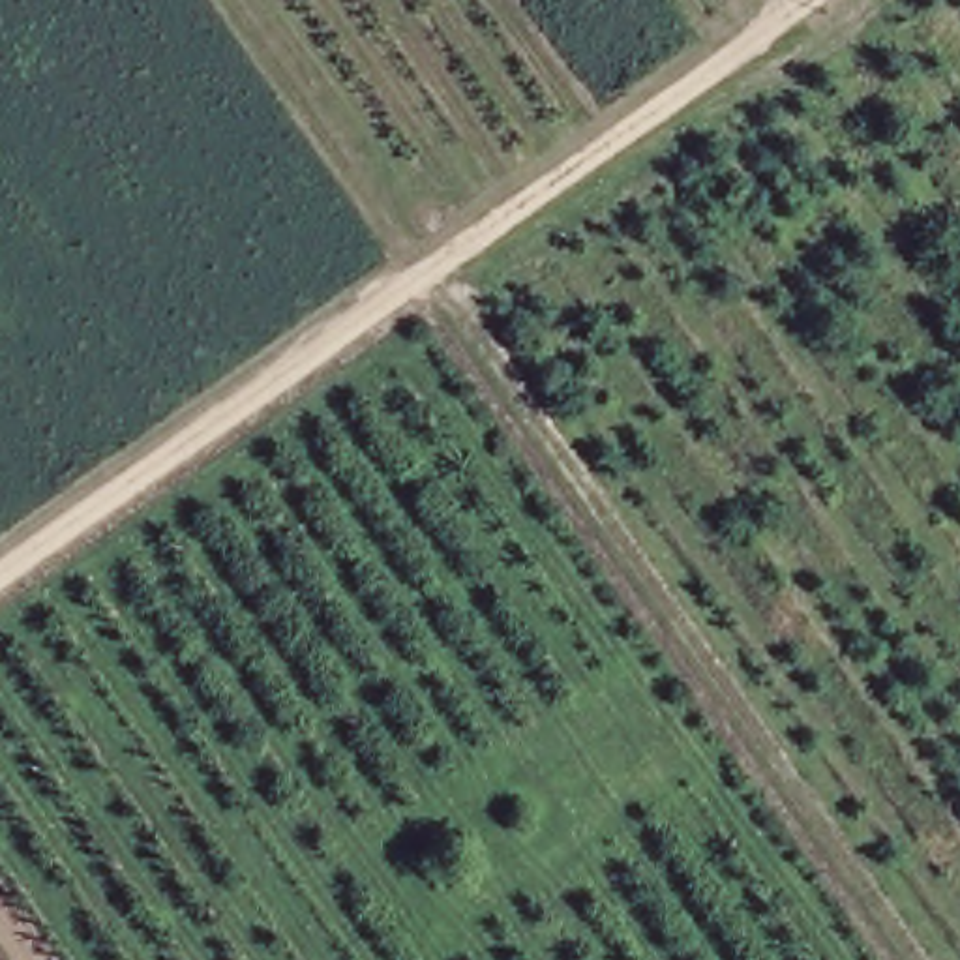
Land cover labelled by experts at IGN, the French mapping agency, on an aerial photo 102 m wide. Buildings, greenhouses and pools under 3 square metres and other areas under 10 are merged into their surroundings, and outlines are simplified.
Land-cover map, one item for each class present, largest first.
<instances>
[{"label":"herbaceous vegetation","instance_id":"1","mask_svg":"<svg viewBox=\"0 0 960 960\"><path fill-rule=\"evenodd\" d=\"M233 34V41L244 49L251 68L263 75L293 128L308 139L315 158L349 195L368 233L383 244L379 274L409 270L413 263L450 244L461 229L484 221L510 195L551 173L563 158L578 154L626 113L656 98L690 68H698L705 56L735 41L769 0H675L694 30V41L660 68H653L645 79L630 83L611 105H604L570 71L563 53L536 26L521 0H308L323 26L334 30V41L315 49L308 26L300 23V15L285 8V0H206ZM334 53L349 56L353 71L375 86L386 109V124L371 128L364 101L326 64V56ZM465 64L495 98L484 113L461 94L454 79ZM521 68L536 79L551 109V120H533L525 94L510 79ZM825 71V79L836 86L829 94V109L840 116L844 131L866 124L874 143H889L893 116L900 109L919 113L926 120L949 116L953 128H960V0H833L810 11L791 30H784L765 53L750 56L728 79L698 94L671 120H664L660 128L630 143L623 154L604 161L581 184H574L570 191L540 206L533 218L514 225L488 251L435 281L431 293L424 300H413L386 334H368L345 353H338L293 394L266 405L248 428L229 431L206 454L169 473L131 506L101 521L94 533L79 536L71 548L41 563L34 574H26L0 596V653H19V660L49 690L56 709H64L75 731L71 739L49 735L45 720L30 713L19 686L0 668V724L11 720L30 739V754L41 761L49 780L71 799L75 814L90 825L94 844L105 848L109 866L131 893V904L165 934L169 953L176 960H604L608 953L596 941V934L578 923V911L585 908H593L596 919L615 934V941H623L630 960H686L668 938L656 908L645 904L626 866V859L641 848L668 874V885L675 889L679 904L698 923V930L713 941V960H743L731 949V938L713 915V908L698 896L679 855L668 848L686 829L701 844H709V836H724L731 844V855H720L716 870L739 885L750 915H765V900L784 889L776 904L784 926H773L765 938H791V949L803 960H960V821L941 803L938 780L926 761L941 754L945 773H953V780L960 784V754L953 750V735L911 743L904 728L911 724V716L896 709L889 690L900 683H930L934 694L949 686L953 698H960V443H953V428L945 420L930 416L919 424V416L908 405L926 394L923 383L911 375L915 364H934L941 349L960 360V341L945 330L938 300L923 296L926 278L911 274L908 266L919 259L926 244V225L919 210L953 199V210H960V131L949 146V176L926 180L919 173L923 154L911 150L904 154V161L911 169L900 180L881 161L874 165L870 184H851V169L829 158L825 135L799 116V105L803 94ZM780 94L784 113L773 116V128L780 135H791L810 161H825L836 188L829 195H814L810 206L791 214L788 191L776 184L773 173L758 165L750 143H739L743 120H769L758 98ZM709 139L739 143V161L728 169V176L713 180V195L728 199L739 180L754 176V184L769 195L773 214L784 218L780 229L758 225L739 251H728L716 266L705 270H690L686 263V255H698V244L686 225L668 233L675 248L668 255H656L641 240L645 225L638 203L675 188V199L686 210L709 214L701 195L686 188L683 169L694 158L709 154ZM866 233L885 236L889 248L900 255V263L885 278L904 293V300L885 304L874 326V341L896 345V360L908 368L904 375L889 379V394H874L866 386L870 368H855L851 383H836L829 356L806 353V345L818 334H825L833 319L814 304V293L791 270L795 259H803L814 274H825L833 266V255L851 251ZM499 300H510L521 311H533L536 300L559 304V319L566 326L559 349L566 353L570 368H585V338L593 330L585 304H615V323H630L638 308H649V330L645 338L630 341L634 360L604 390H596V409L559 424L555 416H548L551 394L544 390L540 368L529 356H521L514 326L499 315ZM420 319L428 323L435 349L476 390V401L488 405L484 416L469 420L461 401L443 394L435 371L428 368V349L413 338ZM668 341H683L694 353V371H709L716 356H728L735 364V375L724 383L716 405L705 416L683 420V390L668 379V371L656 360V349ZM353 398L360 405L368 398H379L394 416L413 401L431 409V443L413 446V469L405 473L409 480H401L398 461L386 458L383 446L371 439V428L356 413ZM334 420L345 424L356 450H364V458L383 473L405 518L431 540L443 566L465 581L476 611L499 600L518 638L533 645V653L563 686L559 701H540L533 683L521 675V664L503 649L488 623H480L473 626V649L488 656L491 671L503 683V698L514 705L521 720L518 728L503 724L488 709L473 671L458 664L439 645V638L413 649L409 638L394 626L390 611L383 608V596L371 593L360 578L356 563L326 559L323 548L334 540V533L315 518L308 488L296 484V473L285 469L274 446L281 435L296 428L311 465L323 469L326 480H334L338 495L349 503L353 518L360 521L364 536L379 548L394 578L405 589H413L420 604L435 596L428 589L424 570H416L401 555L386 521L364 503V491H356L345 469L330 458L323 428ZM608 428L619 431V446L634 465L623 480V499H615L611 488L585 465L600 454L596 435ZM810 443H821L836 461L844 476V510L821 503L810 480H803L788 465V458L806 450ZM458 450H469V465L476 469V488H461L458 495L461 506L473 510L484 495L499 514V521L484 525L491 548L503 555L488 574L469 551H461L439 529V521H431V514L420 503L428 488L458 473ZM525 480H533V488L544 499H551V506L563 514V525L581 540V548L600 566L604 581L615 589V600L608 608L596 604L589 581L574 570L566 548H559L540 529V521L525 518L521 499L514 491ZM735 488L754 495L773 491L784 503H799L803 514L795 518V529L788 536L761 529V536L750 548H728L724 495H735ZM206 510L214 518H229L236 544L244 551L263 548L266 563L285 555L274 529L285 525V518L293 514L311 536V544L300 551L304 559L296 563V578L323 589L338 615V626L353 634V645L383 675V683L360 686V701H371L379 709L383 728L398 743H409L416 731H409V724L398 716L390 694L413 679H420V690L443 683L454 705L476 728L480 746H465L446 728L435 739V746L443 750L439 765H424L413 758L398 761L394 784L405 795L398 806L383 803L379 791L356 769L341 784L345 795L360 806V818H341L338 803L323 784L330 776L326 765L360 731L349 716H338L334 728H323L311 739L304 724H293L289 731L274 735V750L266 758L259 754V743L236 735V720L263 713V720L274 728L281 713L270 698L266 679L251 664L240 671L225 664L236 641L210 600L221 585H229L236 604L251 611L255 630L270 641V649L289 668L296 690L308 701L319 705L338 690H326L311 675L308 660L285 638L281 623L270 615L263 596L248 589L244 574L214 544L210 529L199 521V514ZM915 551H945V559L930 566L934 585L911 596L904 581L915 570ZM173 559H184V574L206 589V600H199L195 611H180L176 596L161 581V566ZM135 589H143L154 600L165 626L180 638L188 660L184 668L173 671L169 656L154 645L150 626L135 623L128 608ZM855 604L866 615L870 634H878L889 623L896 630L889 649L904 645L911 660H889L885 671L866 679L851 660V653L859 649L855 630L844 626V615ZM143 668L150 671V683L173 701V709L188 724V735L218 765V780L203 784L191 758L176 754L169 728L158 720V713L135 686V671ZM199 675L206 679L210 694H218L229 705L233 720L210 724V716L188 694V683H195ZM818 731L833 735L836 746L829 750L825 769L806 784L795 765V746H810ZM128 743H143L154 754V761L173 780L169 791H158L143 780L146 769L139 758L124 754ZM750 791L765 799V806L780 818L784 833L795 840L784 855H776L765 833L750 821L743 806V795ZM176 799H184V806L195 814L218 859L229 863L225 885H214L203 874L176 818H169V806ZM536 799L548 803L544 836L521 844L510 833V825L518 821V810H529ZM128 810H135L143 829L154 833L158 855L173 866L176 881L191 893V900L210 911V923L195 926L158 889L146 863L135 855V833L120 821ZM446 829L461 833V840L484 836L491 855V881L480 896H469L461 881L454 889L443 885V874L435 881L416 874L424 859L450 840ZM904 836L919 840V863L904 874V889L896 896H885L874 863H885L889 848ZM293 341V330L263 353H255L251 360H244L240 368H233L199 398L184 401L146 439L105 458L56 499H49L45 506L15 521L8 533H0V555H8L41 525H49L71 503L98 491L105 480L120 476L131 461L165 443L184 424H191L214 401L229 398L236 386L255 379ZM15 743L0 739V788L34 833L41 855L64 874L60 885H45L0 825V881L11 885L19 908L30 915V923H38V930L60 960H75L83 953V941L75 938L71 915L83 908L94 919V926L113 941L116 960H158L150 945L124 923V915L105 900L101 881L86 866V855L71 844L68 825L56 818L53 803L41 799L19 773Z\"/></svg>","mask_w":960,"mask_h":960},{"label":"deciduous trees","instance_id":"2","mask_svg":"<svg viewBox=\"0 0 960 960\"><path fill-rule=\"evenodd\" d=\"M285 8L300 15V23L308 26L315 49L334 41V30L323 26L308 0H285ZM326 64L364 101L371 128L386 124V109L375 86L353 71L349 56L334 53L326 56ZM454 79L461 94L484 113L495 98L465 64ZM510 79L525 94L533 120H551V109L536 79L521 68ZM836 86L825 79V71L803 94L799 105V116L825 135L829 158L851 169V184H870L874 165L881 161L900 180L911 169L904 161V154L911 150L923 154L919 173L926 180L949 176V146L960 131V128H953L949 116L926 120L919 113L900 109L893 116L889 143H874L866 124L844 131L840 116L829 109V94ZM769 120H743L739 143H750L758 165L773 173L776 184L788 191L791 214L810 206L814 195H829L836 188L825 161H810L791 135H780L773 128V116L784 113L780 94L758 98ZM739 161V143L709 139V154L694 158L683 169L686 188L701 195L709 214L686 210L675 199V188L638 203L645 225L641 240L656 255H668L675 248L668 233L686 225L698 244V255H686V263L690 270H705L716 266L728 251H739L758 225L780 229L784 218L773 214L769 195L754 184V176L739 180L728 199L713 195V180L728 176V169ZM926 225V244L919 259L908 266L911 274L926 278L923 296L938 300L945 330L960 341V210H953V199L919 210ZM900 263V255L889 248L885 236L866 233L851 251L833 255V266L825 274H814L803 259H795L791 270L814 293V304L833 319L825 334H818L806 345V353L829 356L836 383H851L855 368H870L866 386L874 394H889V379L904 375L908 368L896 360V345L874 341V326L885 304L904 300V293L885 278ZM593 330L585 338V368H570L566 353L559 349L566 326L559 319V304L536 300L533 311H521L510 300H499V315L514 326L521 356H529L540 368L544 390L551 394L548 416H555L559 424L596 409V390H604L634 360L630 341L645 338L649 330V308H638L630 323H615V304H585ZM413 338L428 349V368L435 371L443 394L461 401L469 420L484 416L488 405L476 401V390L435 349L428 323L420 319ZM656 360L668 371V379L683 390V420L705 416L716 405L724 383L735 375V364L728 356H716L709 371H694V353L683 341H668L656 349ZM911 375L923 383L926 394L908 405L919 416V424L930 416L945 420L953 428V443H960V360L941 349L934 364H915ZM356 413L371 428V439L383 446L386 458L398 461L401 480H409L405 473L413 469V446L431 443V409L413 401L394 416L379 398H368L360 405L353 398ZM330 458L345 469L356 491H364V503L386 521L401 555L416 570H424L428 589L435 596L420 604L413 589H405L394 578L379 548L364 536L360 521L353 518L349 503L338 495L334 480H326L323 469L311 465L296 428L281 435L274 446L285 469L296 473V484L308 488L315 518L334 533V540L323 548L326 559L356 563L360 578L371 593L383 596V608L390 611L394 626L409 638L413 649L439 638V645L458 664L473 671L488 709L503 724L518 728L521 720L514 705L503 698V683L491 671L488 656L473 649V626L480 623H488L503 649L521 664V675L533 683L540 701H559L563 686L533 653V645L518 638L499 600L476 611L465 581L443 566L431 540L405 518L383 473L364 458V450H356L345 424L334 420L323 428ZM600 454L585 465L611 488L615 499H623V480L634 465L619 446V431L608 428L596 435ZM788 465L803 480H810L821 503L844 510V476L836 461L821 443H810L806 450L788 458ZM458 473L428 488L420 503L431 514V521H439V529L461 551H469L488 574L503 555L491 548L484 525L499 521V514L484 495L473 510L461 506L458 495L461 488H476V469L469 465V450H458ZM514 491L521 499L525 518L540 521V529L559 548H566L574 570L589 581L596 604L608 608L615 600V589L604 581L600 566L581 548V540L563 525V514L551 506V499H544L533 488V480H525ZM728 548H750L761 536V529L788 536L795 529V518L803 514L799 503H784L773 491L754 495L735 488V495H724ZM199 521L210 529L214 544L244 574L248 589L263 596L270 615L281 623L285 638L308 660L311 675L326 690H338L319 705L308 701L296 690L289 668L270 649V641L255 630L251 611L236 604L229 585H221L210 600L236 641L225 664L240 671L251 664L266 679L270 698L281 713L274 728L263 720V713L236 720V735L259 743V754L266 758L274 750V735L289 731L293 724H304L311 739L323 728H334L338 716H349L360 731L326 765L330 776L323 784L338 803L341 818H360V806L345 795L341 784L356 769L379 791L383 803L398 806L405 795L394 784L398 761L413 758L424 765H439L443 750L435 746V739L446 728L465 746H480L476 728L454 705L443 683L420 690V679H413L390 694L398 716L409 724V731H416L409 743H398L383 728L379 709L371 701H360V686L383 683V675L353 645V634L338 626V615L323 589L296 578V563L304 559L300 551L311 544V536L293 514L285 518V525L274 529L285 555L266 563L263 548L244 551L236 544L229 518H214L206 510L199 514ZM945 559V551H915V570L904 581L911 596L934 585L930 566ZM161 581L176 596L180 611H195L199 600H206V589L184 574V559H173L161 566ZM128 608L135 623L150 626L154 645L169 656L173 671L184 668L188 660L180 638L165 626L154 600L143 589H135ZM844 626L855 630L859 649L851 653V660L866 679L885 671L889 660H911L904 645L889 649L896 630L889 623L878 634H870L866 615L855 604L844 615ZM0 668L19 686L30 713L45 720L49 735L71 739L75 731L64 709H56L49 690L19 660V653H0ZM135 686L158 713V720L169 728L176 754L191 758L203 784L218 780V765L188 735V724L173 709V701L150 683V671L143 668L135 671ZM188 694L210 716V724L233 720L229 705L218 694H210L206 679L199 675L195 683H188ZM896 709L911 716V724L904 728L911 743L953 735V750L960 754V698H953L949 686L934 694L930 683H900L889 690ZM0 739L15 743L19 773L41 799L53 803L56 818L68 825L71 844L86 855V866L101 881L105 900L124 915V923L150 945L158 960H176L169 953L165 934L131 904V893L109 866L105 848L94 844L90 825L75 814L71 799L49 780L41 761L30 754V739L11 720L0 724ZM836 746L833 735L818 731L810 746H795V765L806 784L825 769L829 750ZM124 754L139 758L146 769L143 780L158 791H169L173 780L154 761V754L143 743H128ZM938 780L941 803L960 821V784L953 780V773H945L941 754L926 761ZM0 825L45 885H60L64 874L41 855L34 833L0 788ZM743 806L750 821L765 833L776 855H784L795 840L784 833L780 818L765 806V799L750 791L743 795ZM169 818H176L203 874L214 885H225L229 863L218 859L195 814L184 806V799H176L169 806ZM548 803L536 799L529 810H518V821L510 825V833L521 844L544 836ZM120 821L135 833V855L146 863L158 889L195 926L210 923V911L191 900V893L176 881L173 866L158 855L154 833L143 829L135 810H128ZM450 840L424 859L416 874L435 881L443 874V885L454 889L461 881L469 896H480L491 881V855L484 836L461 840V833L446 829ZM668 848L679 855L698 896L713 908V915L731 938V949L743 960H803L791 949V938H765L773 926H784L776 904L784 889L765 900V915H750L739 885L716 870L720 855H731V844L724 836H709V844H701L686 829ZM919 840L904 836L889 848L885 863H874L885 896H896L904 889V874L919 863ZM626 866L645 904L656 908L668 938L686 960H713V941L698 930V923L679 904L675 889L668 885V874L641 848L626 859ZM75 938L83 941V953L75 960H116L113 941L94 926V919L83 908L71 915ZM578 923L596 934V941L608 953L604 960H630L623 941H615V934L596 919L593 908H585L578 911Z\"/></svg>","mask_w":960,"mask_h":960},{"label":"agricultural land","instance_id":"3","mask_svg":"<svg viewBox=\"0 0 960 960\"><path fill-rule=\"evenodd\" d=\"M383 244L368 233L349 195L315 158L308 139L293 128L263 75L251 68L244 49L233 41V34L206 0H0V533H8L15 521L45 506L49 499H56L105 458L146 439L184 401L199 398L233 368H240L244 360H251L255 353H263L293 330L338 293L379 274ZM536 26L563 53L570 71L604 105H611L630 83L645 79L653 68H660L694 41V30L675 0H521Z\"/></svg>","mask_w":960,"mask_h":960},{"label":"pervious surface","instance_id":"4","mask_svg":"<svg viewBox=\"0 0 960 960\"><path fill-rule=\"evenodd\" d=\"M833 0H769L735 41L705 56L698 68H690L656 98L626 113L578 154L563 158L551 173L510 195L484 221L461 229L450 244L413 263L409 270L379 274L338 293L293 330V341L255 379L236 386L229 398L214 401L191 424H184L165 443L131 461L120 476L105 480L98 491L71 503L49 525H41L8 555H0V596L26 574H34L41 563L71 548L79 536L94 533L101 521L131 506L169 473L206 454L229 431L248 428L266 405L293 394L338 353H345L368 334H386L413 300H424L431 293L435 281L488 251L514 225L533 218L540 206L570 191L574 184H581L604 161L623 154L630 143L660 128L664 120H671L698 94L728 79L750 56L765 53L784 30H791L810 11Z\"/></svg>","mask_w":960,"mask_h":960},{"label":"bare soil","instance_id":"5","mask_svg":"<svg viewBox=\"0 0 960 960\"><path fill-rule=\"evenodd\" d=\"M0 960H60L38 930V923H30V915L19 908L11 885L0 881Z\"/></svg>","mask_w":960,"mask_h":960}]
</instances>
